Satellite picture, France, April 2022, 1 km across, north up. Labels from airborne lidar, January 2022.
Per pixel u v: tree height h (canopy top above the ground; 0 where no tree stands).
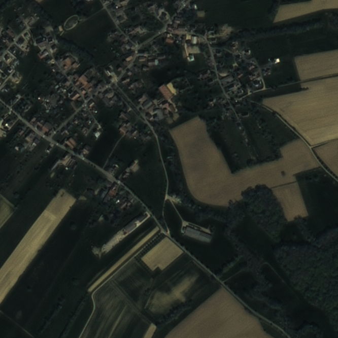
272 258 0
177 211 0
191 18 16
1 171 0
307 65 0
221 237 0
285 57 0
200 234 0
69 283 0
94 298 0
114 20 0
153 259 0
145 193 0
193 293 0
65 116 8
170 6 0
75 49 22
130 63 0
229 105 12
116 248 0
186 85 0
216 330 0
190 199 16
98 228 0
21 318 0
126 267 0
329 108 0
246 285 0
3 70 0
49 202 0
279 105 0
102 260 0
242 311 0
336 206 0
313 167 0
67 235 0
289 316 23
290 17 0
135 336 0
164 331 0
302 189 0
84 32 0
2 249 0
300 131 0
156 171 0
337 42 0
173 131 0
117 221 15
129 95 0
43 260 0
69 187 0
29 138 0
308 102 0
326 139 0
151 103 0
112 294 0
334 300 31
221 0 0
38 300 0
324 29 0
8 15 0
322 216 0
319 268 30
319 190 0
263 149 0
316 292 29
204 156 0
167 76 0
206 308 0
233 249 0
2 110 8
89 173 0
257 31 10
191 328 0
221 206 0
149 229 0
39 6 20
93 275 0
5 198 0
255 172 0
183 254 0
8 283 0
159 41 0
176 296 0
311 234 15
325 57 0
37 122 0
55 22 20
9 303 0
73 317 11
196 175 0
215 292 0
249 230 0
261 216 27
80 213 0
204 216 19
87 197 0
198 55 0
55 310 20
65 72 0
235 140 0
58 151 0
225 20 0
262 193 24
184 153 0
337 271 29
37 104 0
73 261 0
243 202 0
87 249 0
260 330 0
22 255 0
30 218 0
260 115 24
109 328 0
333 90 0
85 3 13
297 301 0
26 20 0
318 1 0
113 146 0
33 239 0
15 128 0
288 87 0
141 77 0
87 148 0
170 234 0
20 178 0
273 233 22
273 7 14
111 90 7
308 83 0
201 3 0
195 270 0
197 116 0
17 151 0
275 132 0
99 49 0
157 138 0
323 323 0
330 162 0
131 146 0
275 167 0
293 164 0
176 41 6
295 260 30
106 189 9
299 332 22
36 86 0
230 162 0
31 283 0
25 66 0
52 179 0
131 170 7
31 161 0
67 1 0
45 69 0
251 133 0
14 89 0
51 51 0
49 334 0
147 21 8
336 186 0
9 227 0
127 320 0
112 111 0
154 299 0
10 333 0
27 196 0
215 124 9
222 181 0
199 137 0
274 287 0
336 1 0
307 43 0
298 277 30
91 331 0
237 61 9
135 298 0
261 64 0
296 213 0
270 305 16
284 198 0
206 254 0
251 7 0
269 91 0
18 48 0
